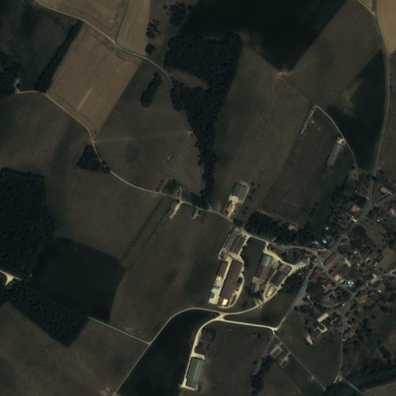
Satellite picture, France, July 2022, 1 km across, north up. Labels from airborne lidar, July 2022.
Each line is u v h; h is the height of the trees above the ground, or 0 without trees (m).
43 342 0
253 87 0
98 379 0
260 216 12
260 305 0
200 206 14
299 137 0
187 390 0
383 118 0
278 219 0
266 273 0
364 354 0
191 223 0
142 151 0
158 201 0
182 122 0
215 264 0
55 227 21
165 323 0
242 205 0
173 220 0
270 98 0
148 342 0
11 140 0
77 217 0
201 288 0
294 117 0
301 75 0
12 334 0
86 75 0
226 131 0
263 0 0
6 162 0
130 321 0
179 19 30
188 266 0
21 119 0
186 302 0
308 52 0
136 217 0
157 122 0
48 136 0
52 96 0
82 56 0
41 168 0
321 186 0
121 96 0
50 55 0
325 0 0
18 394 0
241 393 0
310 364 0
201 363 0
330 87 0
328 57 0
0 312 0
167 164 0
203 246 0
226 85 18
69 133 0
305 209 0
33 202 24
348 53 0
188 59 22
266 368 25
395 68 0
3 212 26
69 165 0
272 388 0
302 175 0
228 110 0
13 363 0
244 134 0
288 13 0
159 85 14
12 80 22
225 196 0
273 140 0
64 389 0
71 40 13
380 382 12
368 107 0
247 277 0
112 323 0
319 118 0
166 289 0
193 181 0
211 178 19
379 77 0
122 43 0
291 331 0
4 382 0
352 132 0
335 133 0
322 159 0
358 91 0
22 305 24
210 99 25
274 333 0
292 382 0
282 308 0
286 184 0
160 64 0
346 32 0
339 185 0
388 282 6
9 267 24
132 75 0
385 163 0
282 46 0
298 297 0
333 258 0
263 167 0
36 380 0
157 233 0
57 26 0
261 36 0
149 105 10
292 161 0
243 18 0
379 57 0
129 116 0
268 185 0
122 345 0
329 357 0
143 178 0
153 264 0
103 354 0
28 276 8
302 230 10
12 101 0
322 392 0
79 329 25
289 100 0
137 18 0
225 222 0
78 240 0
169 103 0
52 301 25
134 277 0
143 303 0
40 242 22
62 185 0
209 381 0
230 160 0
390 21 0
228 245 0
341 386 16
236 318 0
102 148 0
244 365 0
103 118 0
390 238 11
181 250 0
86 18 0
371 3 0
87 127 0
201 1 0
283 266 0
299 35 0
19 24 0
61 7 0
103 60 0
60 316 26
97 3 0
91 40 0
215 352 0
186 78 0
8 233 29
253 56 0
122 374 0
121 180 0
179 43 19
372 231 0
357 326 0
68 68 0
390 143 0
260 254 0
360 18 0
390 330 0
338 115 0
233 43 28
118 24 0
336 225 7
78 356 0
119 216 0
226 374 0
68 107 0
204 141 7
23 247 26
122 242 0
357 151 0
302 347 0
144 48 0
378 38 0
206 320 0
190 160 0
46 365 0
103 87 0
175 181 9
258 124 0
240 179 0
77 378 0
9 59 21
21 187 24
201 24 0
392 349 0
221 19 0
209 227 0
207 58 22
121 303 0
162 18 0
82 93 0
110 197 0
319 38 0
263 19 0
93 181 0
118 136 0
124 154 0
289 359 0
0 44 0
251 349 0
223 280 0
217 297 0
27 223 27
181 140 0
